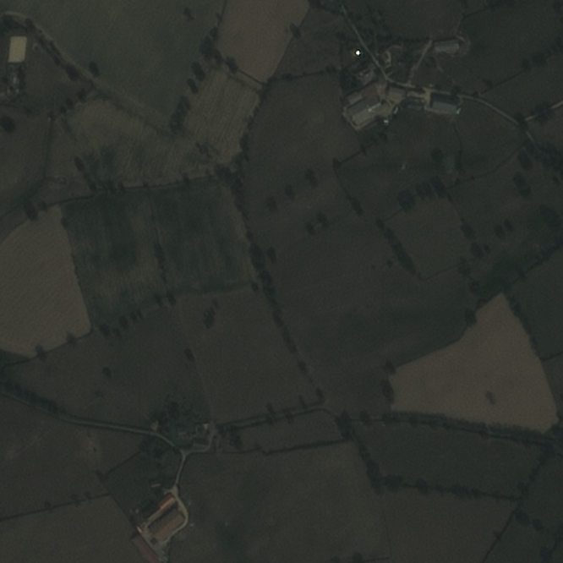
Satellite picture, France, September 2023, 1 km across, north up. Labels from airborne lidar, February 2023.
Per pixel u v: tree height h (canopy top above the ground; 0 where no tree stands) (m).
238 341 0
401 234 0
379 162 0
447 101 0
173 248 0
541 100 0
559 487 0
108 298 0
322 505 0
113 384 0
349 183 0
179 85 0
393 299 0
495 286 0
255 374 0
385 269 0
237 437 8
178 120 16
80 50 0
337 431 0
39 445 0
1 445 0
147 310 0
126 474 0
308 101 0
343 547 0
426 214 0
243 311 0
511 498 10
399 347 0
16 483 0
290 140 0
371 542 0
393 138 0
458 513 0
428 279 0
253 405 0
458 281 0
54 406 14
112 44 0
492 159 0
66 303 0
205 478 0
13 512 0
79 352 0
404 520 0
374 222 0
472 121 0
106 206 0
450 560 0
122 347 0
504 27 0
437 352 0
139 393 0
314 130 0
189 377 0
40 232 0
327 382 0
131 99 0
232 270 0
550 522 0
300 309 0
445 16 0
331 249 0
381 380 0
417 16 0
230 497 0
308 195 0
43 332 0
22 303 0
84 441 0
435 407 0
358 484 0
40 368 0
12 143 0
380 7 0
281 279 0
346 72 6
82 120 0
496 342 0
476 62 0
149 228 0
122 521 0
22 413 0
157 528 0
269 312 0
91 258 0
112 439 0
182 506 0
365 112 0
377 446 0
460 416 0
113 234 0
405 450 0
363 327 0
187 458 0
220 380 0
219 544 0
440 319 0
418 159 0
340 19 0
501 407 0
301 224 0
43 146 0
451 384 0
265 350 0
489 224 0
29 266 0
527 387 0
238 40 0
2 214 0
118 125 0
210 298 0
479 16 0
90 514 0
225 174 19
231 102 0
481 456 0
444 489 10
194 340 0
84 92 9
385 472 0
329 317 0
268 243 0
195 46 0
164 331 0
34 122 0
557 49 13
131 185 0
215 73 0
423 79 0
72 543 0
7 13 0
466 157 0
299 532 0
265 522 0
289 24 0
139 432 0
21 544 0
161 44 0
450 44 0
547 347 0
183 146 0
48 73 0
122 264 0
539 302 0
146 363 0
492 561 0
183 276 0
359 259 0
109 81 0
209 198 0
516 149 0
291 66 0
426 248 0
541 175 0
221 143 0
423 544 0
